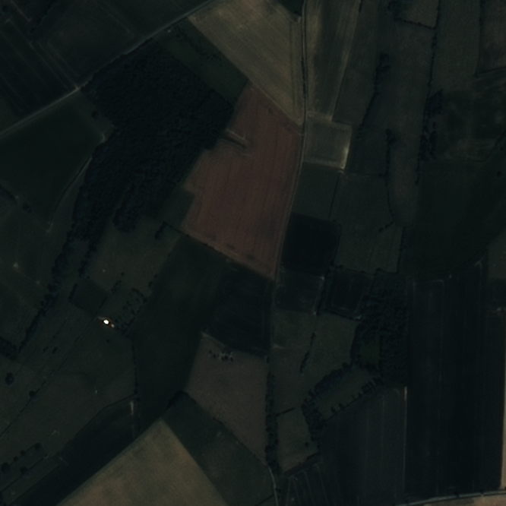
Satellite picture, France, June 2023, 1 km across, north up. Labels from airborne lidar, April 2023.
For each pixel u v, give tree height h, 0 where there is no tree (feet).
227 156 0
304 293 0
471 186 0
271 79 0
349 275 0
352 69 0
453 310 0
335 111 0
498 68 0
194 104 38
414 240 0
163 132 55
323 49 0
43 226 0
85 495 0
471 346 0
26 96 0
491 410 0
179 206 0
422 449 0
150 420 0
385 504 0
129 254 0
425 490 0
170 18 0
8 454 0
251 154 0
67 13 0
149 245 0
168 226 30
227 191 0
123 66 58
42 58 0
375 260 0
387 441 0
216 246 0
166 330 0
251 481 0
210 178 0
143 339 0
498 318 0
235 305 0
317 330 0
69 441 0
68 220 0
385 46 0
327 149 0
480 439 0
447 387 0
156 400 0
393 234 0
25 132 0
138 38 0
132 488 0
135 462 0
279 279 0
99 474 0
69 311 0
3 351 36
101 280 0
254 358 0
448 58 0
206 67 0
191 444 0
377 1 0
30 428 0
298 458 0
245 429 0
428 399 0
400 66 0
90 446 0
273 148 0
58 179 0
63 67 0
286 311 0
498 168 0
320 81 0
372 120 0
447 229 0
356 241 0
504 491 0
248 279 0
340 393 0
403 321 30
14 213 0
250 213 0
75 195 0
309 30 0
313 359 0
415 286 0
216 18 0
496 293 0
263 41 0
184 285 0
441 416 0
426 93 0
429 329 0
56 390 0
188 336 0
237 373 0
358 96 0
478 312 0
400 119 0
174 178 34
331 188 0
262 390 0
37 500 0
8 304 0
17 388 0
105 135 0
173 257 0
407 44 0
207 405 0
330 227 0
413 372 0
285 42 0
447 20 0
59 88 0
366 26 0
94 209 45
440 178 0
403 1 36
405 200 0
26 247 0
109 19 0
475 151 0
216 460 0
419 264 0
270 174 0
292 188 0
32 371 0
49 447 0
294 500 0
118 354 0
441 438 0
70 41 0
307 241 0
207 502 0
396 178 0
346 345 0
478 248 0
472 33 0
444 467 0
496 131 0
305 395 0
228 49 0
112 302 0
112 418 0
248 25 0
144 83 65
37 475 0
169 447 0
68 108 0
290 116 0
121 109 50
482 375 0
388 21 0
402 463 0
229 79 0
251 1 0
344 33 0
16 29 0
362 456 0
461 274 0
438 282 0
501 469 0
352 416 0
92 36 0
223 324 0
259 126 0
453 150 0
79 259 0
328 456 0
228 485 0
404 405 0
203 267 0
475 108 0
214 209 0
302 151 0
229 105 47
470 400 0
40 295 0
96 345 0
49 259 0
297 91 0
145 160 68
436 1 0
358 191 0
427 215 0
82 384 0
